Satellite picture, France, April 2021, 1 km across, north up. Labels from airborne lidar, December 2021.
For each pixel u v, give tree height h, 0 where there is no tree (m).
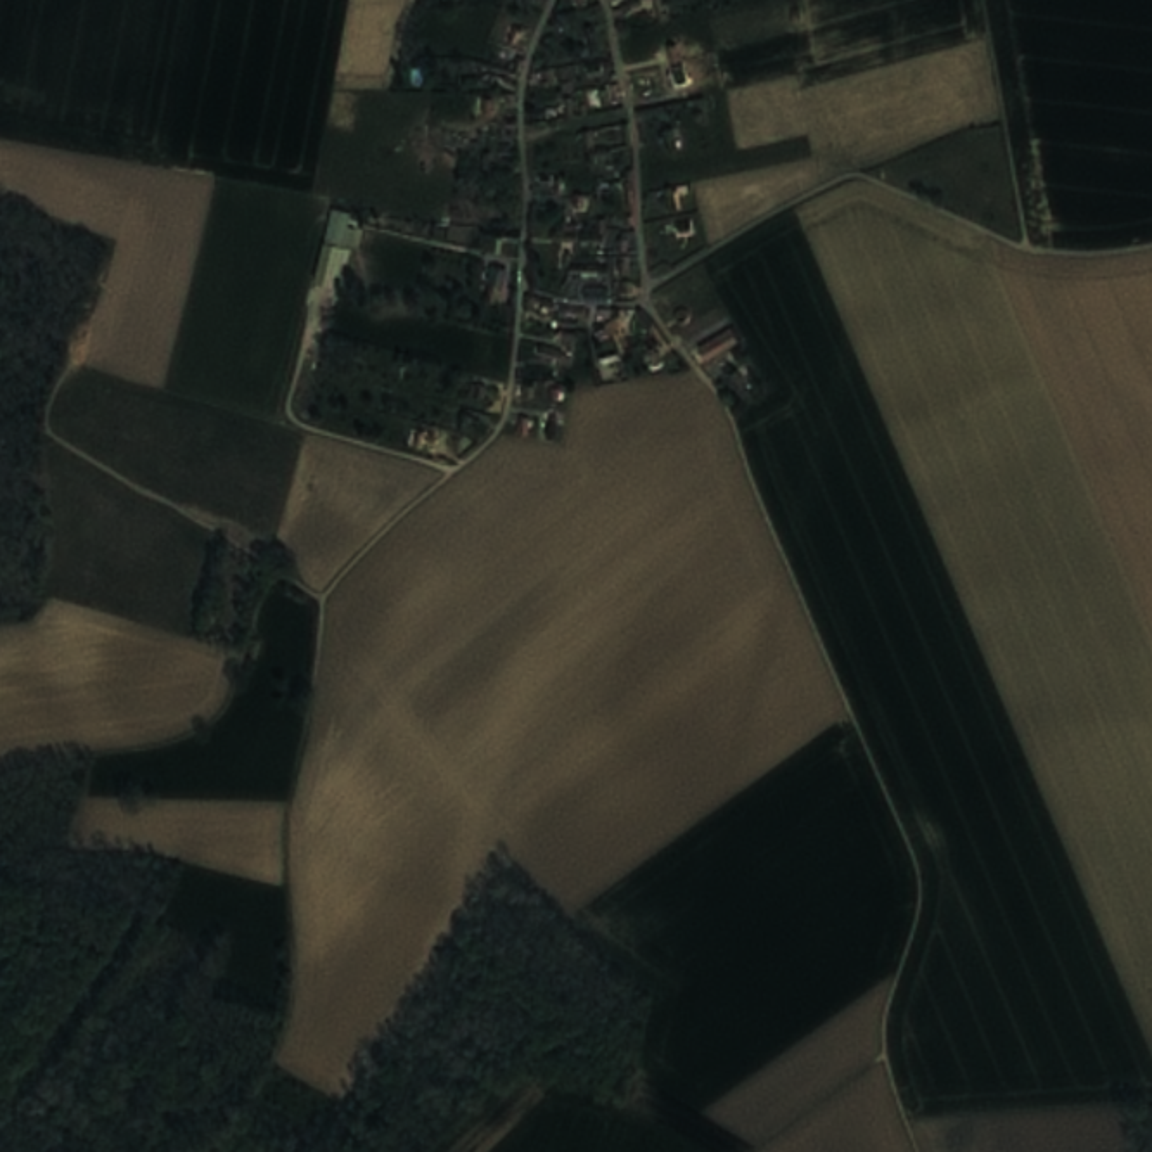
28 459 19
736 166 0
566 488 0
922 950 0
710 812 0
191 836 0
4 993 20
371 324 0
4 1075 24
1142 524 0
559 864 0
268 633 0
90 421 0
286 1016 8
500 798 0
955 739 0
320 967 0
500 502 0
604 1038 21
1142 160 0
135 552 0
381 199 0
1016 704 0
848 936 0
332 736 0
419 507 0
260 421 0
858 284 0
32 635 0
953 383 0
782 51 0
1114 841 0
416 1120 27
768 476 0
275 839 0
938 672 0
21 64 0
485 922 24
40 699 0
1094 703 0
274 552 15
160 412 0
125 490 0
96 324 0
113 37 0
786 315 0
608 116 0
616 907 0
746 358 11
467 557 0
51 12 0
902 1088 0
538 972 20
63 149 0
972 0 0
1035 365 0
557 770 0
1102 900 0
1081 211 0
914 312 0
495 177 16
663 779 0
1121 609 0
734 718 0
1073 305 0
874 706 0
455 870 0
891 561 0
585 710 0
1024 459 0
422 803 0
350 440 0
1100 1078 0
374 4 0
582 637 0
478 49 0
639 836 0
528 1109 0
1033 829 0
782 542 0
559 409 0
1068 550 0
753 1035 0
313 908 0
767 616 0
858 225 0
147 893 21
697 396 0
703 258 0
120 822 0
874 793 0
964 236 0
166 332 0
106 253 17
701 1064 0
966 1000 0
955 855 0
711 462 0
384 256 0
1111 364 0
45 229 15
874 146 0
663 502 0
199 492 0
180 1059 29
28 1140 26
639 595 0
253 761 0
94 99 0
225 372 0
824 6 0
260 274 0
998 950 0
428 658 0
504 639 0
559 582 0
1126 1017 0
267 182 0
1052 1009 0
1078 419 0
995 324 0
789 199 0
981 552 0
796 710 0
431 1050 11
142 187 0
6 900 26
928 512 0
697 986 0
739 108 0
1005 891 0
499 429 0
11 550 27
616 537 0
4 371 22
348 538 0
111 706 0
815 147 0
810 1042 0
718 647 0
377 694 0
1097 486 0
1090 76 0
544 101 0
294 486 0
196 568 0
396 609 0
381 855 0
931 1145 0
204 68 0
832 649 0
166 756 0
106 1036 29
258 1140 27
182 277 0
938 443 0
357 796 0
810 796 0
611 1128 0
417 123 0
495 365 0
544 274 10
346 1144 26
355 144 0
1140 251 0
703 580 0
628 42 0
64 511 0
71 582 0
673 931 0
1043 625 0
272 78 0
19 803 22
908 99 0
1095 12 0
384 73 0
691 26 0
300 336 0
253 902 0
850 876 0
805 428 0
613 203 10
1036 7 0
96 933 25
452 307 21
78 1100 32
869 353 0
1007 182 0
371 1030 0
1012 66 0
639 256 0
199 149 0
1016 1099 0
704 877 0
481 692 0
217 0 0
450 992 21
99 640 0
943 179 0
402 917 0
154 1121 28
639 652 0
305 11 0
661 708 0
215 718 0
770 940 0
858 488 0
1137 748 0
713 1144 0
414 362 10
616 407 0
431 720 0
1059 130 0
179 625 0
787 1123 0
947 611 0
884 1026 0
